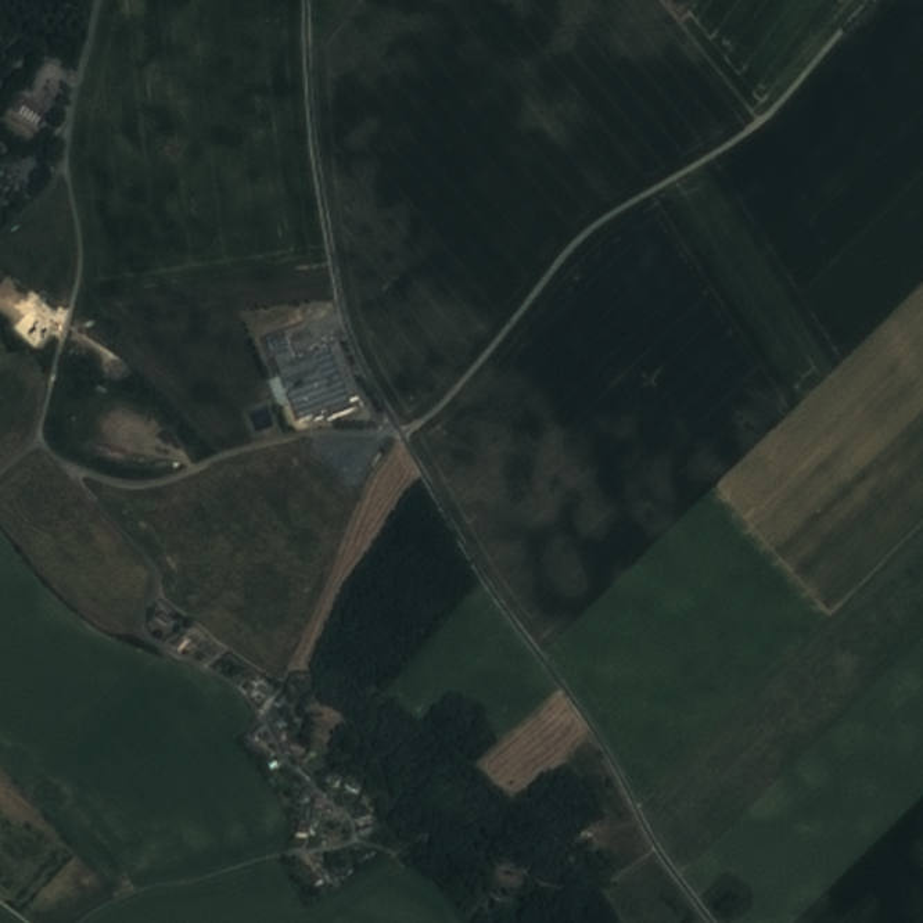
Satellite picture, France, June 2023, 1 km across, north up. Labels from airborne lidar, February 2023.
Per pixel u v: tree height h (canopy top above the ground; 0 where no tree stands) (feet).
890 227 0
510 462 0
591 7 0
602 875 20
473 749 59
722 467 0
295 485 0
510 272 0
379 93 0
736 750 0
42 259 0
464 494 0
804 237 0
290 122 0
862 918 0
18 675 0
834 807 0
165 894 0
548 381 0
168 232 0
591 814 48
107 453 0
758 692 0
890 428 0
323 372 0
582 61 0
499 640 0
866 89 0
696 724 0
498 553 0
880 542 0
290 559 0
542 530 0
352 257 0
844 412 0
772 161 0
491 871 68
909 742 0
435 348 0
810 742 0
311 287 0
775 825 0
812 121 0
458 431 0
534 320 0
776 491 0
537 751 0
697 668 0
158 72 0
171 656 0
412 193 0
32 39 23
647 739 0
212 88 0
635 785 0
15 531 0
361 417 0
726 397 0
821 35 0
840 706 0
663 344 0
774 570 0
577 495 0
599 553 0
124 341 0
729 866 0
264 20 0
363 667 53
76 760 0
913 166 0
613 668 0
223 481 0
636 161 0
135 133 0
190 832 0
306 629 0
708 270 0
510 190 0
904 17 0
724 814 0
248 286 0
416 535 49
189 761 0
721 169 0
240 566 0
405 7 0
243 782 0
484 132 0
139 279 0
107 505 0
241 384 0
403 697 0
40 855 0
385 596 54
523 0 0
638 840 0
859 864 0
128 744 0
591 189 0
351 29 0
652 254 0
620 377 0
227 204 0
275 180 0
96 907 0
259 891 0
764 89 0
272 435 0
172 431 0
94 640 0
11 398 0
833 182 0
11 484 0
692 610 0
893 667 0
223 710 0
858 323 0
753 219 0
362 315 0
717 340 0
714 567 0
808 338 0
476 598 0
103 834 0
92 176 0
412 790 40
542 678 0
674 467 0
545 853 50
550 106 0
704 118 0
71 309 0
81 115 0
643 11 0
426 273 0
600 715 0
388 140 0
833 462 0
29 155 40
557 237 0
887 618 0
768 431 0
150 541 0
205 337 0
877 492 0
